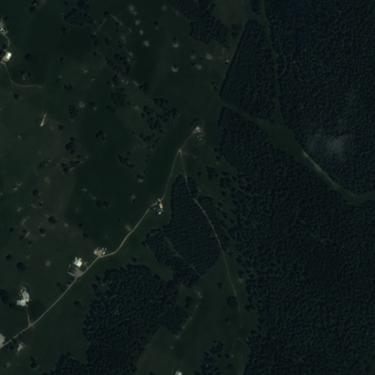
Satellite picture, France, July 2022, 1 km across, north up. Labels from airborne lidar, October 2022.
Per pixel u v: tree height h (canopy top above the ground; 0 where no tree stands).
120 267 0
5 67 0
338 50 23
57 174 0
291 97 14
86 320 0
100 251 0
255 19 0
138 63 0
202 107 0
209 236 16
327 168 14
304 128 13
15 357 0
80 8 15
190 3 23
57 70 0
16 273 0
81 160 0
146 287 31
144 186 0
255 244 24
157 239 16
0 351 0
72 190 0
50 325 0
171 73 0
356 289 25
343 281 15
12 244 0
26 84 0
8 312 0
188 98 0
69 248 0
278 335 22
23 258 0
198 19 14
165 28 0
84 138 0
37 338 0
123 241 0
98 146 0
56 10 0
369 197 0
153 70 0
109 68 0
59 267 0
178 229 19
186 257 20
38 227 0
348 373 9
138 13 0
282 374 22
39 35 0
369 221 23
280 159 8
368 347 21
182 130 0
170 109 0
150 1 0
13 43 0
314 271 22
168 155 0
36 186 0
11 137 0
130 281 33
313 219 28
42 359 0
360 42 26
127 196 0
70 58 0
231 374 0
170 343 0
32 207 0
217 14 0
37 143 0
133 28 0
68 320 0
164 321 13
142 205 0
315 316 25
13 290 0
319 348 25
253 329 0
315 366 21
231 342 0
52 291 0
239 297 0
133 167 15
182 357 0
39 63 0
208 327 0
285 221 24
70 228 0
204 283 0
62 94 0
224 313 0
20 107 0
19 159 0
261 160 11
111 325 23
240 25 0
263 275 31
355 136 18
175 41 14
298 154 0
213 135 0
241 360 0
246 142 18
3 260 0
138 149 0
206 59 0
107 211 0
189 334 0
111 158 0
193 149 0
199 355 0
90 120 0
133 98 0
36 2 9
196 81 0
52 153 0
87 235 9
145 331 13
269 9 7
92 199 0
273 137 0
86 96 0
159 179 0
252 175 13
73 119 10
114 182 0
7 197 0
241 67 16
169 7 0
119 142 0
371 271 21
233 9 0
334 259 25
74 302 0
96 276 0
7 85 0
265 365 28
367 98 22
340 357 22
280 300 26
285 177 12
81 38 0
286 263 23
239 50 13
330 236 16
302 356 25
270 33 0
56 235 0
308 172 15
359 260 18
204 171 0
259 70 16
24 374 0
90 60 0
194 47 0
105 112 0
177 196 18
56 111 0
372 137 21
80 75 0
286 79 20
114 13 0
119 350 24
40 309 0
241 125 18
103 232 0
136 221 0
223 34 18
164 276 0
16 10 0
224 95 15
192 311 0
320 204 20
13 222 0
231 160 13
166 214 0
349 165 25
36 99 0
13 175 0
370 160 27
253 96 29
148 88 13
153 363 0
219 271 0
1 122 0
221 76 0
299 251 22
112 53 0
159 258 17
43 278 0
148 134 0
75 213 0
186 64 0
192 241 15
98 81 0
